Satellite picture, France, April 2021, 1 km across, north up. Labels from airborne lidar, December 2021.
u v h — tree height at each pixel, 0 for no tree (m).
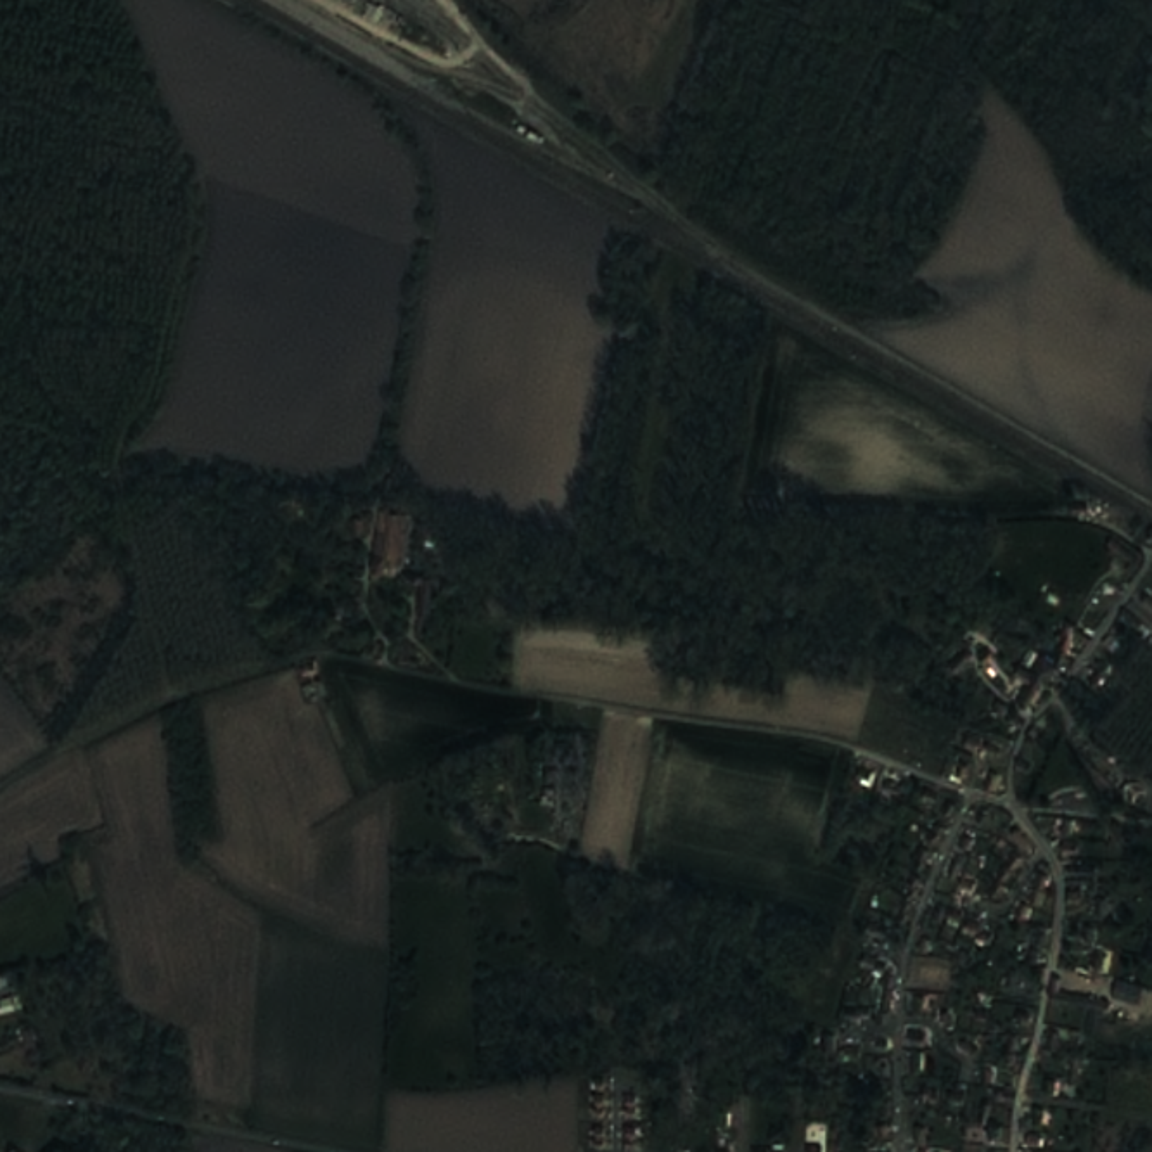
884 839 6
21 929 0
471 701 0
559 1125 0
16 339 19
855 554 37
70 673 0
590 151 0
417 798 0
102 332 29
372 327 0
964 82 18
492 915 0
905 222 16
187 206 22
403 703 0
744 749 0
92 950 9
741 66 19
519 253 0
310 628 24
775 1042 22
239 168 0
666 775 0
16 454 7
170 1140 8
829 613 18
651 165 18
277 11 0
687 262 0
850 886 0
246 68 0
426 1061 0
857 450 0
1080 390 0
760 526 43
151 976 0
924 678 7
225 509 18
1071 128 15
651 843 0
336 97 0
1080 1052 11
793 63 12
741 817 0
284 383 0
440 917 0
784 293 0
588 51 0
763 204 7
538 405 0
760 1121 0
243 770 0
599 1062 11
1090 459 0
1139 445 0
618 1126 0
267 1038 0
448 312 0
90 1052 19
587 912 26
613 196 0
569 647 0
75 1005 22
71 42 19
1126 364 0
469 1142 0
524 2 0
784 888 0
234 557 10
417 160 14
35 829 0
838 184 8
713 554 40
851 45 12
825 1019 0
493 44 0
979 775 0
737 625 41
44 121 6
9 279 8
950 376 0
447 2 0
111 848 0
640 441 40
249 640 33
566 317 0
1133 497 0
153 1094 15
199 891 0
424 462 0
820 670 34
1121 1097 0
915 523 16
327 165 0
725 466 42
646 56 0
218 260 0
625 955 20
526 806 0
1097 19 35
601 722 0
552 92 0
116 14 16
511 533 38
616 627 36
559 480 0
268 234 0
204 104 0
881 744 0
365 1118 0
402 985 9
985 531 21
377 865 0
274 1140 0
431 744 0
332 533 17
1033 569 0
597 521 37
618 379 29
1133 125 8
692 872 0
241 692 0
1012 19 7
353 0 0
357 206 0
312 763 0
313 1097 0
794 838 0
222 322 0
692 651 41
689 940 25
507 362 0
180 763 6
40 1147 0
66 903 0
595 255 0
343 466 0
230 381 0
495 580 17
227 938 0
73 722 28
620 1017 14
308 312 0
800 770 0
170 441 0
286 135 0
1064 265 0
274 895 0
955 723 9
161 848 0
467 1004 0
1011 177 0
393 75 0
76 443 18
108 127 21
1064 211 0
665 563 27
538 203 0
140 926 0
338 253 0
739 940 15
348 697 0
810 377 0
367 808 0
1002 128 0
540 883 0
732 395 39
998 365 0
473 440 0
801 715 0
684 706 0
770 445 0
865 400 0
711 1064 10
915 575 21
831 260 6
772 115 11
